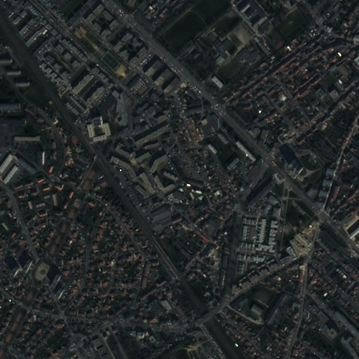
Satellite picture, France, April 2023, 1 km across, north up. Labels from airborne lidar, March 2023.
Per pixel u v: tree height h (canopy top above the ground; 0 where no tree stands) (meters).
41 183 0
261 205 0
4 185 0
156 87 0
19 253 0
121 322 0
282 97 0
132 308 0
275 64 8
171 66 0
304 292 0
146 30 13
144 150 0
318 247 0
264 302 0
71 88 0
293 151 0
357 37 0
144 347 0
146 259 0
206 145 0
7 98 0
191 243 0
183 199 0
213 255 0
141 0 9
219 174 0
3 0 0
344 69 0
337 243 0
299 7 15
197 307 0
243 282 0
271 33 0
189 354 0
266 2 0
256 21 0
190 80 0
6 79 0
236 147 7
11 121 0
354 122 0
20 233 0
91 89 0
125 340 6
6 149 0
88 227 6
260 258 0
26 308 0
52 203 0
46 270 0
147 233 0
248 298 0
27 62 0
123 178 0
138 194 6
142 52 0
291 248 0
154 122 0
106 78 0
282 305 0
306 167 0
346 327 0
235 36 0
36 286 0
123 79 0
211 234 0
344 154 0
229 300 0
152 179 0
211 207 0
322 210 0
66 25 0
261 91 0
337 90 0
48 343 0
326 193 0
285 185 0
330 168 0
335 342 0
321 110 0
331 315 0
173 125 10
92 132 0
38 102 0
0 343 0
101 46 0
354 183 6
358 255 0
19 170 0
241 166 13
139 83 0
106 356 0
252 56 0
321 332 0
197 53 0
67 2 0
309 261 0
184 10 12
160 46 0
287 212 0
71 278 0
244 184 0
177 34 0
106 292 7
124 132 0
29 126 0
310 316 0
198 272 8
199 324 0
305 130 0
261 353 0
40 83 0
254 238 0
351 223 0
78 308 7
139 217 0
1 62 0
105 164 0
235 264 15
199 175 0
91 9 0
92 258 7
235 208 0
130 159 0
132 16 0
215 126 0
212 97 0
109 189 7
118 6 0
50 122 0
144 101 7
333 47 0
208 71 20
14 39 0
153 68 0
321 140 0
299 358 8
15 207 0
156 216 0
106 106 0
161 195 0
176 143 0
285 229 0
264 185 0
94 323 8
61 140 0
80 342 0
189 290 0
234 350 0
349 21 0
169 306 0
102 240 0
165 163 0
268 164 0
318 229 0
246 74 8
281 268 0
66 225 0
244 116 0
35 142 9
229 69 0
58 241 0
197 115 9
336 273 14
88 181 0
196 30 0
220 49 0
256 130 0
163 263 0
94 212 6
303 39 0
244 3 0
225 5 0
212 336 0
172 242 14
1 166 0
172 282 0
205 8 0
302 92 0
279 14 11
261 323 0
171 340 10
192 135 0
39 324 7
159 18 8
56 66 0
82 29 0
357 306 0
